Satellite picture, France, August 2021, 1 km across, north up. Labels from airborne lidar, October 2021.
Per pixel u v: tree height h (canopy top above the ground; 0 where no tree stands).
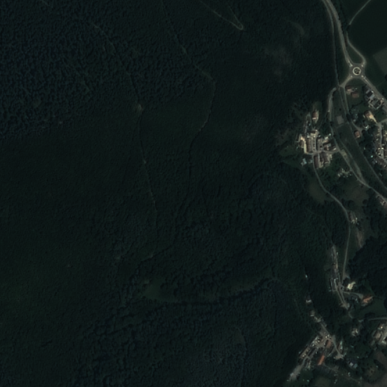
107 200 10
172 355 22
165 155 17
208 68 14
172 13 21
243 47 14
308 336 10
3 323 6
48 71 29
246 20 19
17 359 27
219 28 19
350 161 0
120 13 19
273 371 27
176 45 19
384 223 18
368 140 11
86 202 18
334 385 0
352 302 9
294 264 8
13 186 20
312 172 7
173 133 14
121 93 20
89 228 17
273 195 16
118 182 19
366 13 0
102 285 16
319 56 16
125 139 14
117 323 31
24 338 30
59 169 19
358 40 0
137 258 14
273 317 14
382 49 0
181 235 17
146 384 24
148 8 16
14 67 28
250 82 15
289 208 8
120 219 17
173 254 21
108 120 15
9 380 17
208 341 20
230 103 18
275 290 18
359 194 0
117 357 26
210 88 14
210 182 28
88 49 14
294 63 11
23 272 11
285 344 23
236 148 15
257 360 20
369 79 0
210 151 24
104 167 14
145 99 24
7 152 19
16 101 26
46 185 19
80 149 17
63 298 20
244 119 13
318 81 16
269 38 13
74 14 28
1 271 16
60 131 16
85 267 16
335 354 6
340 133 9
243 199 16
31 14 25
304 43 14
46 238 19
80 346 36
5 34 23
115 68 23
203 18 18
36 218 24
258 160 25
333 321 18
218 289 10
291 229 8
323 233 7
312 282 16
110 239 15
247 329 17
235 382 18
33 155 17
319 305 18
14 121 12
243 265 25
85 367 27
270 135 11
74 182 13
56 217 20
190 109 14
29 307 13
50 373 20
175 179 21
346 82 0
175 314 25
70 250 15
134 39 15
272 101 16
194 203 27
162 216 19
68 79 29
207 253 20
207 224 11
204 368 16
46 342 9
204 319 30
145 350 29
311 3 16
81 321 25
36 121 25
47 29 24
